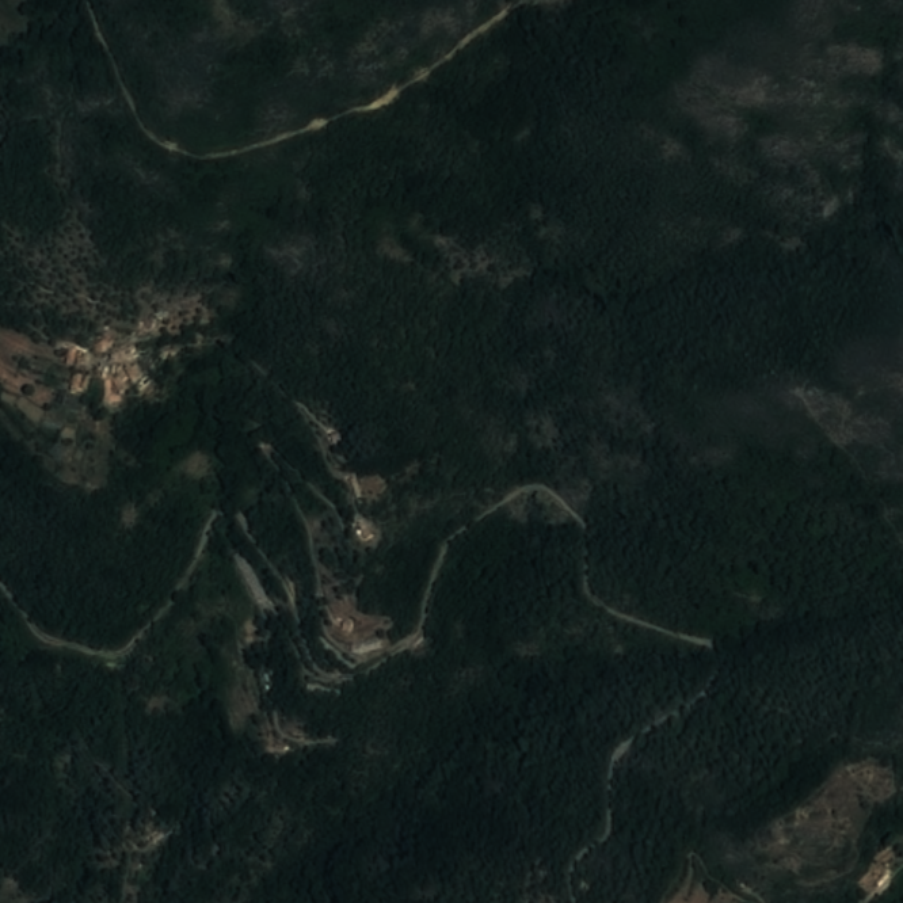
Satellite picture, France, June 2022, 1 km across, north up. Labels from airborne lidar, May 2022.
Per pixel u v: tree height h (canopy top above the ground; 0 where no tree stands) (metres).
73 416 0
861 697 10
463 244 8
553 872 10
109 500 11
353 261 7
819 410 0
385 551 10
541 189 13
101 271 6
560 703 14
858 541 8
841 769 0
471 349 16
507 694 18
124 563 16
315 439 7
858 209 14
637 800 9
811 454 0
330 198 13
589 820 18
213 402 28
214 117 0
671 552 9
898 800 9
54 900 17
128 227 7
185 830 16
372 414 10
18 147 9
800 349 6
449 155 13
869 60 0
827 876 0
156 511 11
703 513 21
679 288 21
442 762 15
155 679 11
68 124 0
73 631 16
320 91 0
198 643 0
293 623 9
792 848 0
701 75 0
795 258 16
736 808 11
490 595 20
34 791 24
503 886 7
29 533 11
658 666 32
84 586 10
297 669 13
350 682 8
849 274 9
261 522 10
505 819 12
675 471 11
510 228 7
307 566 9
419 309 13
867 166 9
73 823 16
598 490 8
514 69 16
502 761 10
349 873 22
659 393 12
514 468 16
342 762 20
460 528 14
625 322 15
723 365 9
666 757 12
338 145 13
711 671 14
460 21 0
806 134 0
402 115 7
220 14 0
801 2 0
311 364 13
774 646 20
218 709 19
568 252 9
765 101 0
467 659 18
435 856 11
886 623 10
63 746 10
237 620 0
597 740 11
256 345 8
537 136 15
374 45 0
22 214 10
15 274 10
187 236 8
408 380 18
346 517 10
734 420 0
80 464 0
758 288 13
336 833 21
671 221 9
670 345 10
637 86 7
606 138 7
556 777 17
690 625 8
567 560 16
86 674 13
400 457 11
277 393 11
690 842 10
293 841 22
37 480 7
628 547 13
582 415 11
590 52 20
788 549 18
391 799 22
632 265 8
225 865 10
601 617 8
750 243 13
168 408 8
